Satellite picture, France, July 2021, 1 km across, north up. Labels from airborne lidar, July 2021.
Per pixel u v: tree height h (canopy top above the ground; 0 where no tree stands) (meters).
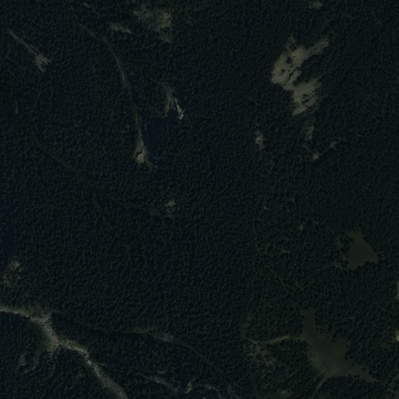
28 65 20
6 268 6
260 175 21
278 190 23
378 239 29
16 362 14
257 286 12
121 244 9
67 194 26
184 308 13
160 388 18
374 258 0
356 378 10
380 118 26
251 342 11
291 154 22
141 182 22
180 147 13
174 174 11
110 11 9
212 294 21
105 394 13
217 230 19
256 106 32
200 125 13
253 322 12
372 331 21
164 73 26
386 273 18
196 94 23
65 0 11
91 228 26
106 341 23
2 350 19
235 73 23
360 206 29
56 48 23
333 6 26
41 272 23
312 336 0
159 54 24
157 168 6
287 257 23
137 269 28
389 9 20
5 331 23
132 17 10
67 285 20
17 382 10
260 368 10
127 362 17
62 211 17
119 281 24
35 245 24
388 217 30
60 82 7
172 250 26
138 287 17
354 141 21
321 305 20
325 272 25
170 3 13
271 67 19
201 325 12
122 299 22
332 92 9
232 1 26
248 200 21
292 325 16
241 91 22
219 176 28
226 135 21
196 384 10
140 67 12
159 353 20
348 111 12
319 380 11
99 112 21
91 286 20
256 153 13
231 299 16
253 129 18
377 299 22
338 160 29
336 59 15
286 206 20
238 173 24
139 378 26
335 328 12
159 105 10
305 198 26
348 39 23
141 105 23
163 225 27
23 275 22
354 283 28
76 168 9
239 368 14
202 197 19
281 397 0
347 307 21
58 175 15
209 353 18
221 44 15
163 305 25
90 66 19
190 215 20
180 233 17
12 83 25
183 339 12
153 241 22
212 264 20
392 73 27
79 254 29
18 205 19
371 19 20
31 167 22
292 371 11
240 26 33
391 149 28
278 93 20
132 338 19
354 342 16
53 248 20
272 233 25
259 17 21
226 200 20
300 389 11
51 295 24
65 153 24
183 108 13
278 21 26
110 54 21
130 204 11
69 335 12
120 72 6
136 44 23
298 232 25
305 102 9
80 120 19
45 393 19
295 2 26
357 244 0
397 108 27
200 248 21
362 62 20
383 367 15
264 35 30
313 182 27
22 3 29
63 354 10
